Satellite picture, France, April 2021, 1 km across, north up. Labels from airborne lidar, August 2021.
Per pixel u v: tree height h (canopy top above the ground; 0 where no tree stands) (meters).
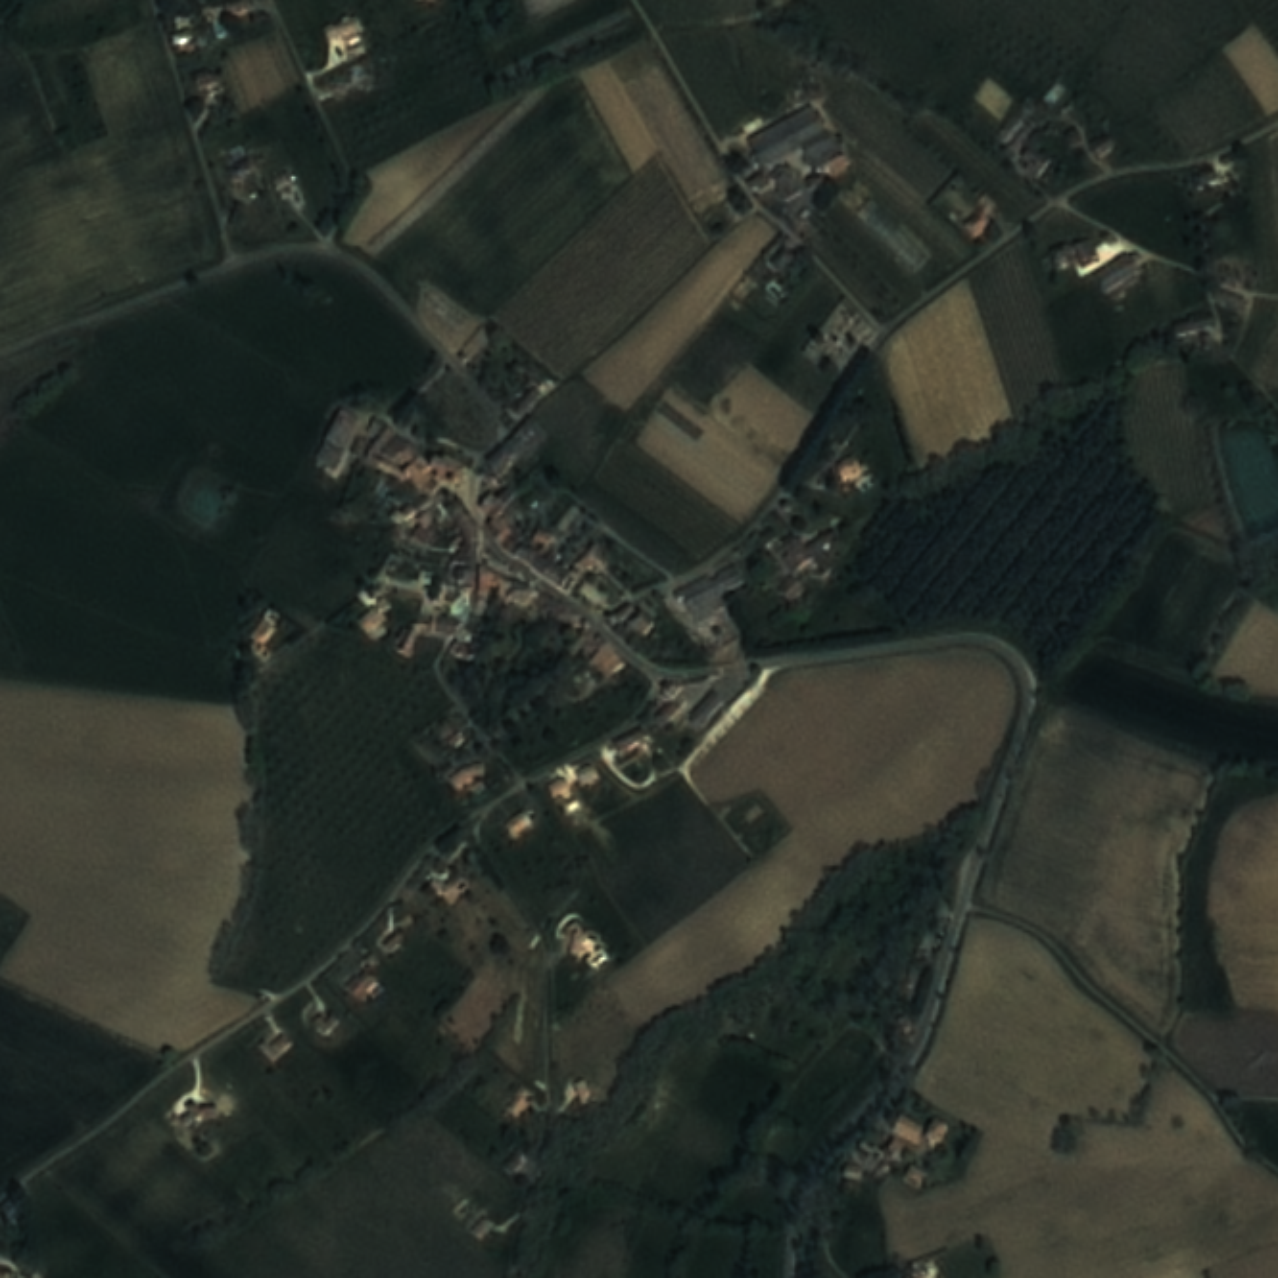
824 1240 11
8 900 0
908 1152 9
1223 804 0
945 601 15
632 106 0
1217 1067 0
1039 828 0
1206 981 0
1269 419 18
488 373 13
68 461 0
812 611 8
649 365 0
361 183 11
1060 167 6
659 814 0
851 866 13
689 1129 0
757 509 0
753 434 0
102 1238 0
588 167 0
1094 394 12
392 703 6
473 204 0
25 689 0
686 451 0
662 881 0
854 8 0
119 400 0
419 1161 0
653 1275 0
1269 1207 0
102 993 0
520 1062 0
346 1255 0
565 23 0
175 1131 0
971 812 14
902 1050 11
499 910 0
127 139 0
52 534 0
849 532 10
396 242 0
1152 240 0
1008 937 0
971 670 0
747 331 0
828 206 8
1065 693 0
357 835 6
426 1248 0
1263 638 0
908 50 0
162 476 0
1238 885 0
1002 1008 0
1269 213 0
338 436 0
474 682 15
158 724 0
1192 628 0
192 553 0
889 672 0
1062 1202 0
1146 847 0
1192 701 0
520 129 0
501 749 13
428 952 0
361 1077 0
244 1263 0
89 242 0
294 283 13
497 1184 0
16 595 0
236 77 0
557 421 0
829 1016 18
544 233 0
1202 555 0
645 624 0
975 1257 0
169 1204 0
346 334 0
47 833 0
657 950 0
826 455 11
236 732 0
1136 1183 0
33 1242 18
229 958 11
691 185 0
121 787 0
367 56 9
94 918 0
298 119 0
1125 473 16
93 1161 0
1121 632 0
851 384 16
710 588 0
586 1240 0
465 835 14
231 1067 0
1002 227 8
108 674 0
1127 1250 0
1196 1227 0
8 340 0
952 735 0
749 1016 20
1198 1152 0
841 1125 0
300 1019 0
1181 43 0
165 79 0
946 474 21
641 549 0
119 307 0
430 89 0
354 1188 0
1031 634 11
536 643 14
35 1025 0
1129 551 14
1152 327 0
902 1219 0
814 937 19
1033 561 14
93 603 0
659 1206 7
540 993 0
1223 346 9
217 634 0
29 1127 0
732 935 0
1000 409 0
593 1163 23
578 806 0
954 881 17
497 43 0
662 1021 9
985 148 6
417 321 0
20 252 0
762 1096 0
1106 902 0
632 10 0
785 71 0
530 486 10
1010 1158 0
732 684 0
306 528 0
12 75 0
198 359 0
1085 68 0
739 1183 13
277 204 0
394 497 9
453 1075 10
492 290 0
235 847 0
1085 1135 0
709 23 0
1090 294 0
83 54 0
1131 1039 0
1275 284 0
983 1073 0
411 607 0
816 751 0
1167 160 0
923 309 0
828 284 0
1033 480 16
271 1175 0
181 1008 0
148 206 0
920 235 0
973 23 0
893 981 14
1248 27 0
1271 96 0
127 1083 0
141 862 0
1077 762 0
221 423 0
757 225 0
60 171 0
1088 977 0
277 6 0
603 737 0
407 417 12
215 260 0
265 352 0
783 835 0
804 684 0
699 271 0
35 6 0
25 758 0
